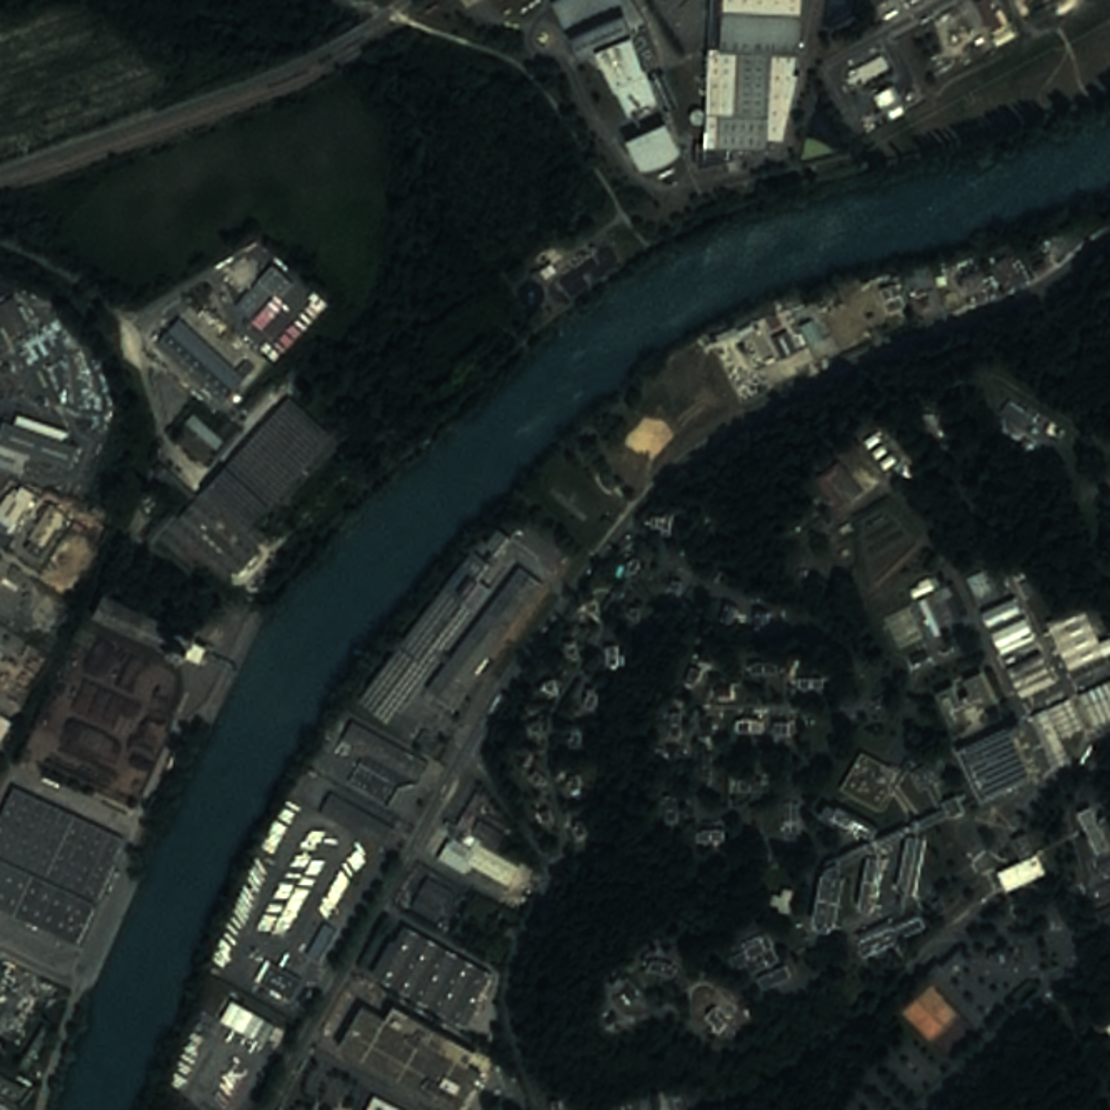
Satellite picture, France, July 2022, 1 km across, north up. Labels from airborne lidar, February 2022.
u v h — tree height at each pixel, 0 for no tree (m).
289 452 0
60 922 0
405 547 0
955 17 0
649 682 22
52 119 0
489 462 0
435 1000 0
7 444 0
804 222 0
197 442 0
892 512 0
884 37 0
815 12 0
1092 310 21
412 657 0
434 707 0
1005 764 0
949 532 18
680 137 0
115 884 0
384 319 16
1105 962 19
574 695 7
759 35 0
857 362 0
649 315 0
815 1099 19
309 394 28
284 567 8
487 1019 0
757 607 0
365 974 0
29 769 0
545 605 0
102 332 7
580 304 8
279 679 0
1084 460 24
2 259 8
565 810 13
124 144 0
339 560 0
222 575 0
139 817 0
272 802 15
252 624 0
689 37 0
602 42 0
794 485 6
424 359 14
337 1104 0
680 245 9
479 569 0
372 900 14
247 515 0
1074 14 0
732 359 0
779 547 6
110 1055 0
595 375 0
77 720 0
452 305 6
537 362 0
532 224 20
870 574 0
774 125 0
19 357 0
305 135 0
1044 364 24
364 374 27
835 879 0
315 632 0
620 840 24
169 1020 0
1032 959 0
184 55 15
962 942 0
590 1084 23
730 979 16
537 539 0
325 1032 0
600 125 0
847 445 18
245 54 11
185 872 0
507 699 13
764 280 0
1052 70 0
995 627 0
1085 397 26
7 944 0
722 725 0
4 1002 0
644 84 0
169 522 0
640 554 11
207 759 0
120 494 24
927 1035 0
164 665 0
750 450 18
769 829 0
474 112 18
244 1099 0
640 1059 21
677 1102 0
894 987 15
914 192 0
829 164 0
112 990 0
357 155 0
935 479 20
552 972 21
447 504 0
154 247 0
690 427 0
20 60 0
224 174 0
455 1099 0
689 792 13
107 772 0
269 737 0
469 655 0
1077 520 18
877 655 21
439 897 0
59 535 0
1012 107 0
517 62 0
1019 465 27
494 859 0
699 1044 12
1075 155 0
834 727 0
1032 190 0
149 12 18
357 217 0
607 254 0
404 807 0
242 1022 0
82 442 0
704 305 0
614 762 23
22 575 0
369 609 0
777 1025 16
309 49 8
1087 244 0
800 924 0
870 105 0
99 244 0
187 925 0
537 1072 24
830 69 0
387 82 12
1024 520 28
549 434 0
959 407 23
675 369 0
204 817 0
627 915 25
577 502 0
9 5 14
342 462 18
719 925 17
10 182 0
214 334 0
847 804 0
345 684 20
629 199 8
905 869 0
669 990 8
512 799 12
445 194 11
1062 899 20
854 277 10
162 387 0
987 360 16
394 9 0
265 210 0
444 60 0
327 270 0
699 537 20
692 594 0
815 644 31
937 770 0
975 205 0
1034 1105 16
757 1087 17
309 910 0
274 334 0
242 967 0
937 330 0
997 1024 9
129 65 0
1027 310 24
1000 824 0
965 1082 18
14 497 0
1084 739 0
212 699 0
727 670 7
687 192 0
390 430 14
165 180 0
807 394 25
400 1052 0
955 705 0
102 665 0
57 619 0
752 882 23
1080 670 0
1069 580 20
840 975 19
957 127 0
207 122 0
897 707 15
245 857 17
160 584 22
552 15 0
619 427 19
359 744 0
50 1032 16
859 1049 21
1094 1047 20
